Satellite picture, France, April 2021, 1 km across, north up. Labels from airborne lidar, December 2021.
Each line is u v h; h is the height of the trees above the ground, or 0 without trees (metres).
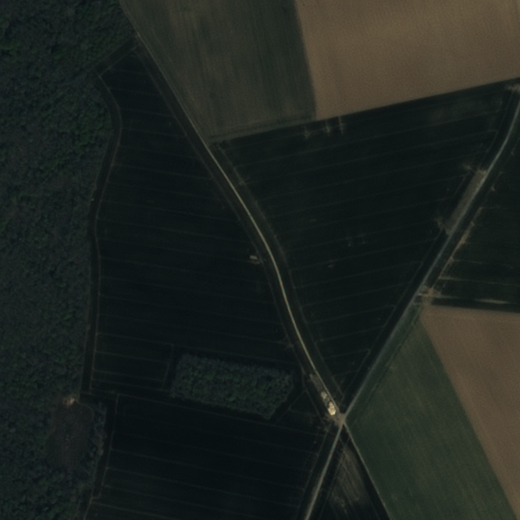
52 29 21
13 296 24
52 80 15
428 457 0
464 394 0
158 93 0
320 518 0
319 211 0
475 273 0
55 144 28
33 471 26
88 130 18
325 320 0
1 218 23
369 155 0
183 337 0
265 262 0
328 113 0
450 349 0
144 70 0
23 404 21
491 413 0
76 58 13
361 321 0
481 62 0
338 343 0
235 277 0
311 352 0
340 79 0
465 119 0
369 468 0
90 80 23
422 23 0
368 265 0
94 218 0
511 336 0
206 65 0
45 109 20
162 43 0
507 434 0
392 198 0
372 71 0
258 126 0
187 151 0
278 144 0
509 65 0
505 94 0
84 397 0
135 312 0
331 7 0
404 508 0
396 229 0
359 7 0
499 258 0
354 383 0
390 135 0
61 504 20
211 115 0
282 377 15
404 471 0
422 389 0
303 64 0
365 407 0
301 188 0
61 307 26
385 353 0
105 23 9
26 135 27
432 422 0
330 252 0
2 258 28
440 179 0
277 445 0
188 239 0
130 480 0
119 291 0
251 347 0
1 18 24
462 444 0
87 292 23
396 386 0
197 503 0
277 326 0
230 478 0
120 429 0
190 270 0
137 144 0
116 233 0
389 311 0
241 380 19
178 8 0
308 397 0
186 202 0
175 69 0
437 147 0
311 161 0
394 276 0
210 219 0
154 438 0
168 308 0
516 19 0
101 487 0
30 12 20
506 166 0
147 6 0
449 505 0
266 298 0
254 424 0
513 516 0
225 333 0
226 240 0
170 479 0
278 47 0
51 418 25
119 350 0
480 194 0
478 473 0
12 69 16
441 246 0
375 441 0
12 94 20
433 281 0
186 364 20
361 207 0
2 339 28
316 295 0
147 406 0
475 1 0
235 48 0
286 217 0
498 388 0
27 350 26
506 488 0
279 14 0
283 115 0
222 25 0
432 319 0
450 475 0
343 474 0
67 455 0
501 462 0
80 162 21
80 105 21
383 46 0
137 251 0
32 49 21
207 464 0
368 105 0
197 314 0
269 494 0
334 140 0
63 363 11
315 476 0
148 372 0
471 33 0
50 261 24
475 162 0
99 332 0
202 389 19
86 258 24
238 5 0
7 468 23
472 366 0
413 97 0
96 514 0
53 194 16
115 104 0
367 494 0
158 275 0
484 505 0
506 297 0
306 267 0
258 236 0
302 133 0
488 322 0
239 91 0
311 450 0
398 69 0
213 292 0
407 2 0
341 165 0
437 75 0
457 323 0
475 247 0
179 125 0
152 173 0
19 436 24
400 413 0
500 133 0
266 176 0
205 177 0
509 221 0
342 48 0
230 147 0
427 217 0
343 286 0
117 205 0
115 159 0
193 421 0
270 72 0
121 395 0
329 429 0
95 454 23
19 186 24
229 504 0
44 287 27
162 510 0
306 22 0
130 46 0
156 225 0
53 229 19
